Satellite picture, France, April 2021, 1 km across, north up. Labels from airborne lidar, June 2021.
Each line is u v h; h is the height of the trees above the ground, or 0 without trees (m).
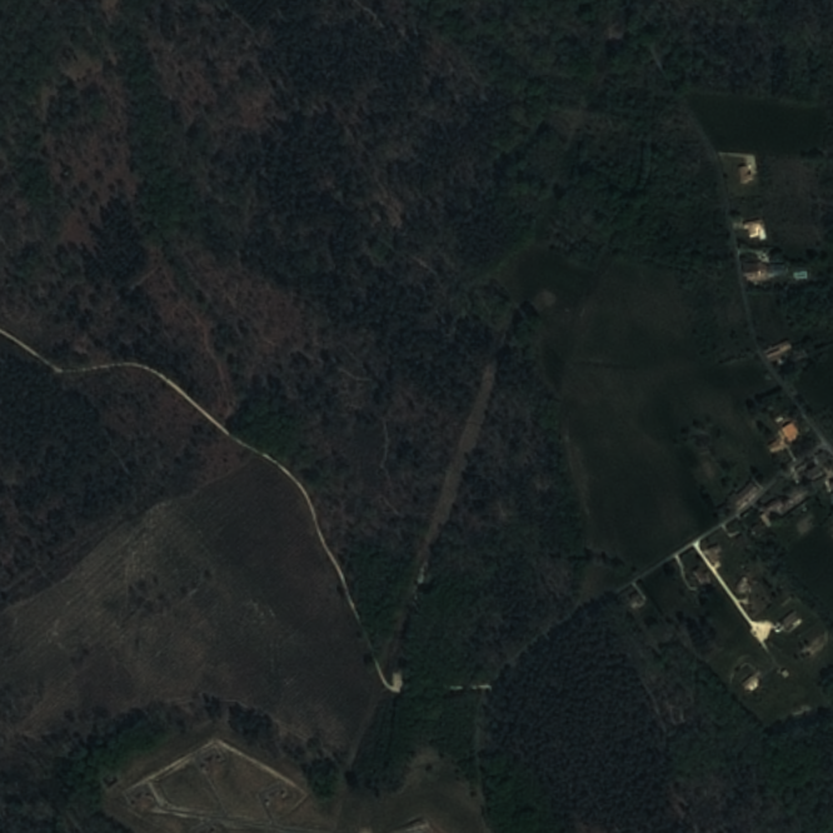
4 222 13
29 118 20
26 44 21
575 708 20
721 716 15
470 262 21
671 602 0
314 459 12
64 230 10
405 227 6
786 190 0
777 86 17
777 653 0
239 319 11
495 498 14
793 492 11
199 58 8
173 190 23
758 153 0
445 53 9
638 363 0
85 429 19
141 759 0
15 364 16
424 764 0
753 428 0
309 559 0
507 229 24
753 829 21
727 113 0
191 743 0
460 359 20
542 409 20
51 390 22
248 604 0
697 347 0
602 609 18
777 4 19
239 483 0
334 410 18
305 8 21
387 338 21
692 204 7
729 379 0
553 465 13
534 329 16
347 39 15
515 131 26
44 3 12
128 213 19
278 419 24
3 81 12
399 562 17
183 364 18
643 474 0
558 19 17
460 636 17
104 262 15
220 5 9
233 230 16
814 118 0
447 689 11
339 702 0
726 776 15
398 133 6
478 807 0
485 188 23
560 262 0
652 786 22
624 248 10
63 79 15
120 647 0
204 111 12
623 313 0
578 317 0
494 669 13
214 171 8
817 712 0
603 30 8
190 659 0
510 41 20
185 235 20
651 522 0
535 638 10
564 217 9
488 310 11
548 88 15
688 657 13
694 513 0
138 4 23
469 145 27
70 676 0
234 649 0
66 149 19
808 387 0
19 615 0
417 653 15
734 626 0
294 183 17
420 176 25
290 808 0
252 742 18
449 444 8
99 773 18
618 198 20
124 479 10
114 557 0
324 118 11
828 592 0
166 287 8
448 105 13
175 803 0
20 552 13
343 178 20
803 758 29
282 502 0
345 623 0
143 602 9
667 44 15
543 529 17
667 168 10
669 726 17
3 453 11
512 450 12
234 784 0
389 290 21
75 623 0
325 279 22
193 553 0
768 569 7
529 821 24
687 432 9
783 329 0
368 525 9
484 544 17
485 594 15
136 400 9
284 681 0
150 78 19
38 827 14
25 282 12
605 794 18
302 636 0
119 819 0
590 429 0
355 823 0
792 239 0
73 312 10
